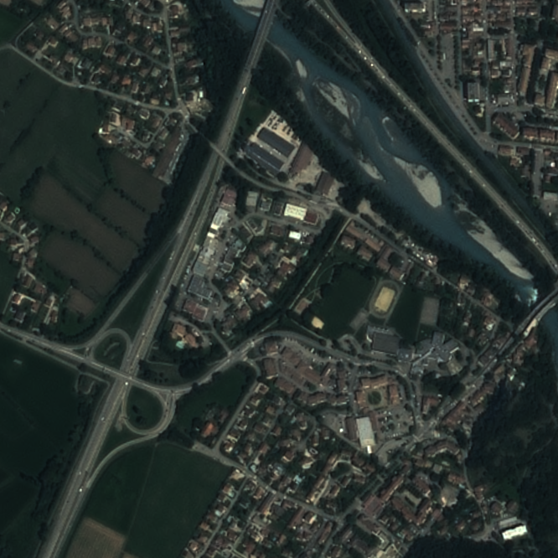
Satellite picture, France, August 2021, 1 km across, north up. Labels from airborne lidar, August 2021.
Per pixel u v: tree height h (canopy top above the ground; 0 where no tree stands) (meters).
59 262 0
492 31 11
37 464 0
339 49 11
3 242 10
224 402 0
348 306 0
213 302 0
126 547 0
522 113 0
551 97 0
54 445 0
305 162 0
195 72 9
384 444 0
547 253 0
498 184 10
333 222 13
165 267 0
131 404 0
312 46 10
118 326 0
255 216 0
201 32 23
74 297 0
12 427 0
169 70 11
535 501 16
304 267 9
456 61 7
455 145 0
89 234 0
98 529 0
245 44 22
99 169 0
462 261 16
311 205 0
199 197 0
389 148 0
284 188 0
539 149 0
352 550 10
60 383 0
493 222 18
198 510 0
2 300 0
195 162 22
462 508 8
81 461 0
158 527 0
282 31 0
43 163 0
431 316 0
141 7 8
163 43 7
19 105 0
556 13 0
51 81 0
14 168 0
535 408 10
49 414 0
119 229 12
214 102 22
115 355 0
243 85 0
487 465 12
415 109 0
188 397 13
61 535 0
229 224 0
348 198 18
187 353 10
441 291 8
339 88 0
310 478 7
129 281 18
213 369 0
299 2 9
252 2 0
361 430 0
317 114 0
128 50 15
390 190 0
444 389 14
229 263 0
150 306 0
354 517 13
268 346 0
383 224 0
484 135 0
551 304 0
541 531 19
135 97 8
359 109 0
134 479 0
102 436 0
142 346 0
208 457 0
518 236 14
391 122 0
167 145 0
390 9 0
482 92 0
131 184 0
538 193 0
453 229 0
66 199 0
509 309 19
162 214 9
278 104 24
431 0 0
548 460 21
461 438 15
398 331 0
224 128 0
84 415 9
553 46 8
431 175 0
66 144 0
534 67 13
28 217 6
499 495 13
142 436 0
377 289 0
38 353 0
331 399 0
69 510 0
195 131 0
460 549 22
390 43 14
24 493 0
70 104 0
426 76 0
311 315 19
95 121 0
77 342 9
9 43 0
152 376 16
